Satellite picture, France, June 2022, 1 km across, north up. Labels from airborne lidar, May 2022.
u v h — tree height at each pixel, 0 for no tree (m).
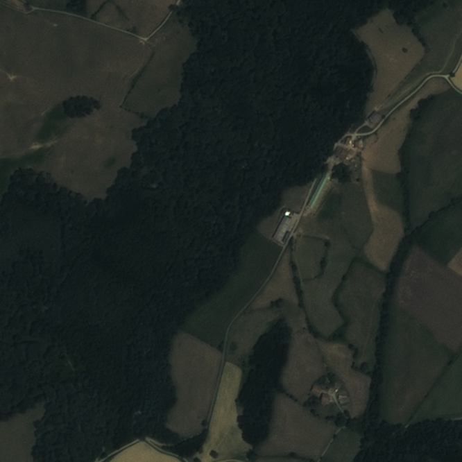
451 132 0
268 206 24
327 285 0
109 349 13
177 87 0
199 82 24
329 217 0
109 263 21
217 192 24
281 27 31
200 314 0
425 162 0
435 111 0
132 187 21
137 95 0
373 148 0
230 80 25
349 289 0
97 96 0
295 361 0
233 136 27
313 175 20
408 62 0
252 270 0
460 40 0
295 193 0
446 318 0
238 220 15
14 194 16
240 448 0
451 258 0
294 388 0
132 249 15
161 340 17
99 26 0
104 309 14
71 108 18
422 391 0
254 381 12
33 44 0
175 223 16
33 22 0
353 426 18
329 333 0
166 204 22
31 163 0
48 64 0
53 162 0
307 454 0
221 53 26
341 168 11
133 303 14
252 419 11
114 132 0
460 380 0
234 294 0
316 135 24
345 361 0
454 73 10
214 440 0
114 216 17
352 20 18
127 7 0
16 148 0
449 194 0
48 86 0
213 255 17
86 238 17
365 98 20
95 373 15
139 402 16
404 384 0
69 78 0
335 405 0
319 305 0
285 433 0
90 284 14
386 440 18
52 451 9
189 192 27
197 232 14
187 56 0
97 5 0
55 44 0
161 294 16
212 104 19
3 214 14
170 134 28
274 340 12
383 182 0
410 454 24
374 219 0
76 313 18
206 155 27
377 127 0
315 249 0
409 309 0
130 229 14
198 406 0
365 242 0
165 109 6
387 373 0
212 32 28
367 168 0
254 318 0
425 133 0
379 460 18
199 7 19
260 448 0
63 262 9
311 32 18
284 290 0
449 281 0
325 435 0
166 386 22
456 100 0
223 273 19
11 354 18
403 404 0
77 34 0
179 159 29
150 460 0
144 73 0
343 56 24
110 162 0
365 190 0
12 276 18
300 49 23
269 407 16
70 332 9
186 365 0
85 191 0
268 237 0
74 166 0
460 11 0
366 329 0
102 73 0
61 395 25
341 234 0
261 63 23
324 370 0
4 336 11
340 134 20
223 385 0
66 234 24
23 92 0
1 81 0
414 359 0
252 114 27
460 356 0
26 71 0
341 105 14
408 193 7
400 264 9
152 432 14
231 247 18
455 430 28
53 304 14
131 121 0
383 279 0
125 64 0
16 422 0
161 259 15
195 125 28
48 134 0
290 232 0
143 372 23
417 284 0
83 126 0
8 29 0
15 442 0
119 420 21
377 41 0
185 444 11
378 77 0
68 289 17
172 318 13
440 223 0
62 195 21
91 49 0
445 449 29
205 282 30
